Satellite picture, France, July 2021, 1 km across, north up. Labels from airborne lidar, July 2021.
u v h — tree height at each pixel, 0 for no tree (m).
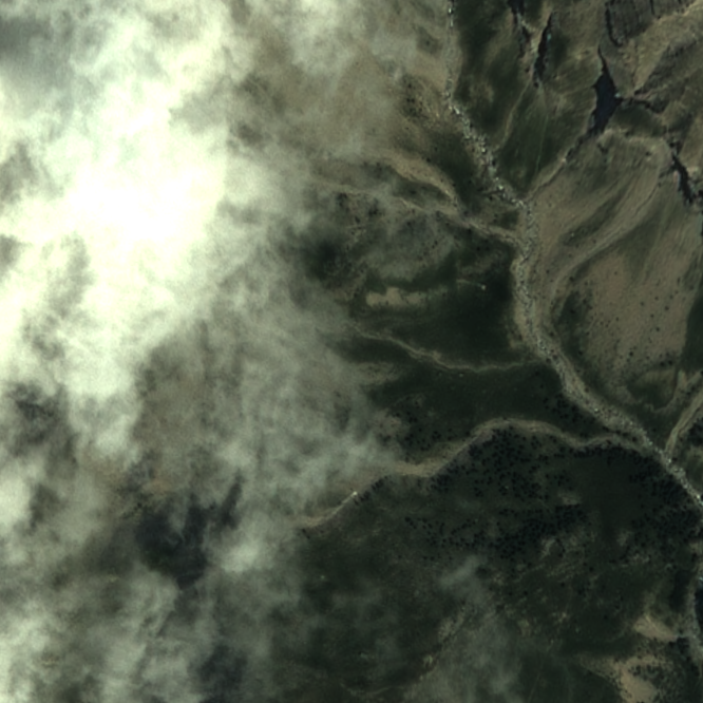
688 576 10
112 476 0
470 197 0
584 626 0
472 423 0
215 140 0
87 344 0
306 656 0
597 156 0
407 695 0
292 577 0
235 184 0
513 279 0
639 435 0
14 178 0
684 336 0
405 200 0
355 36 0
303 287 0
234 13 0
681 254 0
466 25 0
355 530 0
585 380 0
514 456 6
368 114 0
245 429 0
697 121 0
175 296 0
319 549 0
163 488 0
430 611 0
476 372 0
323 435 0
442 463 0
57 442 0
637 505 0
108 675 0
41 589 0
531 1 0
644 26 0
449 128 0
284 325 0
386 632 0
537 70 0
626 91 0
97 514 0
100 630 0
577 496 0
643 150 0
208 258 0
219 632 0
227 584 0
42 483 0
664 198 0
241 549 0
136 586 0
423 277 0
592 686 0
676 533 14
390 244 0
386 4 0
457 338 0
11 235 0
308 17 0
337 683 0
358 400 0
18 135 0
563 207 0
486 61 0
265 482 0
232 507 0
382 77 0
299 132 0
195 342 0
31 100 0
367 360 0
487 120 0
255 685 0
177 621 0
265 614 0
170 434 0
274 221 0
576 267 0
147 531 0
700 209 0
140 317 0
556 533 10
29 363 0
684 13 0
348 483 0
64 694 0
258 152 0
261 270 0
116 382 0
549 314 0
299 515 0
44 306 0
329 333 0
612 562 7
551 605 0
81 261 0
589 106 0
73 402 0
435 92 0
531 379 0
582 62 0
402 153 0
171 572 0
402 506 0
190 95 0
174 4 0
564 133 0
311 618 0
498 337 0
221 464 0
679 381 0
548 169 0
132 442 0
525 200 0
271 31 0
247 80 0
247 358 0
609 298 0
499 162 0
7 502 0
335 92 0
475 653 0
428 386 0
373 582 0
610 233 0
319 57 0
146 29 0
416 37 0
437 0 0
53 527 0
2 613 0
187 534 0
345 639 0
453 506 0
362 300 0
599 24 0
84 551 0
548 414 0
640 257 0
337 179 0
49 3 0
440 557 6
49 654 0
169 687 0
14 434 0
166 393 0
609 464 7
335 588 0
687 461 0
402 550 0
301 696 0
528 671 0
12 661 0
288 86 0
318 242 0
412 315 0
